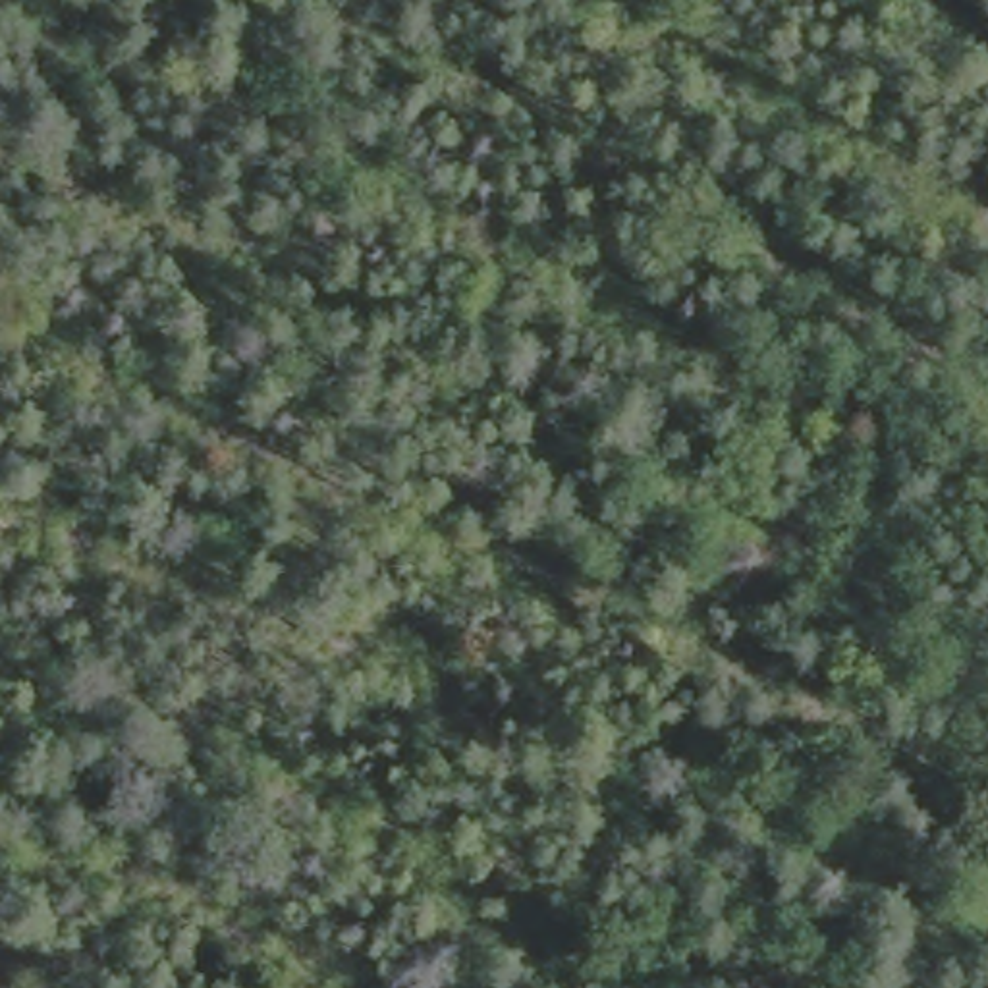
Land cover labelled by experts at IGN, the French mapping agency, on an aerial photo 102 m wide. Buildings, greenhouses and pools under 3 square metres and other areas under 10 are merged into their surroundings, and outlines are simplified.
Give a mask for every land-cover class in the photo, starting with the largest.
<instances>
[{"label":"coniferous trees","instance_id":"1","mask_svg":"<svg viewBox=\"0 0 988 988\"><path fill-rule=\"evenodd\" d=\"M660 0H0V988H822L845 946L876 949V973L865 980L868 988H988V926L961 930L938 919V907L942 899H949L957 872L946 861H934V849L942 841V830L961 818L965 799L988 787V772H953L949 745H942L930 733L915 737V702L922 699L907 683L919 675V668L892 648V633L899 629L903 614L915 610V602L899 587L892 567L903 556V544L922 548L934 536L907 513L895 517L888 506L899 494V479L895 444L880 398L861 401L845 394L826 452L807 467L814 490H803L799 502L787 513L772 517L756 540L729 544L722 579L699 594H691L683 571L691 560L695 521L679 506H652L641 517H625L606 498L629 479L633 459L660 455L668 479H695L706 463H718L714 421L726 409H737V417L749 425L764 421L768 386L756 367L741 363V340L729 328L733 320H741L745 301H760L764 313H772L780 340H787L799 324H834L849 340H857L872 328V309L888 313V320L899 332L930 347H942L949 340L957 313H976L988 324V212L973 224V243L965 239L942 247L938 259L922 247H899L892 235L868 232V216H880V205L865 197L872 178H822V162L814 151L803 154L799 170H791L776 154V139L803 135L810 124L837 127L849 143L868 139L907 162L930 166L949 197L969 193L976 205L988 208V0H718V15L726 23H737V39H729L722 50H710L702 35L664 31L660 19H648ZM706 158L722 170L718 189L741 208L749 224L760 228L764 239L737 266L691 259L687 266H660L656 274H641V266L648 262L656 220L679 189V174L687 166H702ZM865 737H872L888 753V772L872 787V799L857 814V822L841 830L822 857H807L783 834L764 830V822L753 810L733 822V783L741 776L760 772L764 753L776 749L780 760H787L795 749L814 745H841L853 753V745H861ZM660 888L675 892V907L668 919V934L656 942V969L590 976L598 903L629 899L645 907V899Z\"/></svg>","mask_w":988,"mask_h":988},{"label":"deciduous trees","instance_id":"2","mask_svg":"<svg viewBox=\"0 0 988 988\"><path fill-rule=\"evenodd\" d=\"M648 19H660L664 31L702 35L710 50H722L729 39H737V23H726L718 15V0H660ZM814 151L822 162V178H872L865 197L880 205V216H868V232L892 235L899 247H922L938 259L942 247L965 239L973 243V224L988 212V208L976 205L969 193L949 197L930 166L907 162L868 139L849 143L837 127L810 124L803 135L776 139V154L791 170H799L803 154ZM722 170L706 158L702 166H687L679 174V189L656 220L648 262L641 266V274H656L660 266H687L691 259L737 266L764 239L760 228L749 224L741 208L718 189ZM729 328L741 340V363L756 367L768 386L764 421L749 425L737 417V409H726L714 421L718 463H706L695 479H668L660 455L633 459L629 479L606 498L625 517H641L652 506H679L695 521L691 560L683 571L691 594H699L722 579L729 544L756 540L772 517L787 513L799 502L803 490H814L807 467L826 452L845 394L861 401L880 398L895 444L899 479V494L888 506L895 517L907 513L934 536L922 548L903 544V556L892 567L899 587L915 602V610L903 614L899 629L892 633V648L919 668V675L907 683L922 699L915 702V737L930 733L942 745H949L953 772H988V324L976 313H957L949 340L942 347H930L899 332L888 320V313L872 309V328L857 340H849L834 324H799L787 340H780L772 313H764L760 301H745L741 320H733ZM888 772V753L872 737H865L861 745H853V753L841 745H814L795 749L787 760H780L776 749L764 753L760 772L741 776L733 783V822L753 810L764 822V830L783 834L807 857H822L841 830L857 822V814L872 799V787ZM934 861H946L957 872L949 899H942L938 907V919L961 930L988 926V787L965 799L961 818L942 830V841L934 849ZM675 907V892L660 888L645 899V907L629 899L598 903L590 976L656 969V942L668 934V919ZM876 973V949L845 946L822 988H868L865 980Z\"/></svg>","mask_w":988,"mask_h":988}]
</instances>
